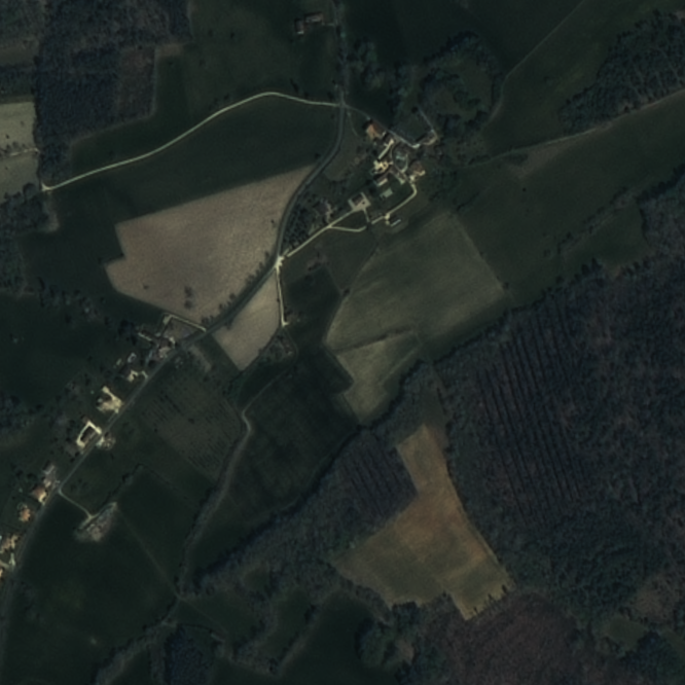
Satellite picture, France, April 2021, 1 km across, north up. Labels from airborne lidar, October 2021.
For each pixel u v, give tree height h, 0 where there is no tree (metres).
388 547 0
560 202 0
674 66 10
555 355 7
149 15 8
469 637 8
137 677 0
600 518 15
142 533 0
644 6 0
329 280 0
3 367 0
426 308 0
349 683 0
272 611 21
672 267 11
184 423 0
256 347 0
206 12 0
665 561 15
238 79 0
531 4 0
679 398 9
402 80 17
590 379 14
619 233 0
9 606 0
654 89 19
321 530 25
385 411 0
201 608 0
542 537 9
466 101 13
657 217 22
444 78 12
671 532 11
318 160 9
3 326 0
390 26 0
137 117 11
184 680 28
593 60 0
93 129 14
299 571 19
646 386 11
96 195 0
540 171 0
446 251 0
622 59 15
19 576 0
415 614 19
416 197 0
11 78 14
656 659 30
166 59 0
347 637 0
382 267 0
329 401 0
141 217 0
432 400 0
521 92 0
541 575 14
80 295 9
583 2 0
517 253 0
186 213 0
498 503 9
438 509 0
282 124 0
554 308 13
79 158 0
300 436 0
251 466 0
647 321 10
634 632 0
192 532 10
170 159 0
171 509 0
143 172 0
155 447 0
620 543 16
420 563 0
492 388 13
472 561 0
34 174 0
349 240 0
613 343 8
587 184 0
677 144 0
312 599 20
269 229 0
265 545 24
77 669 0
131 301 0
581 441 7
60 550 0
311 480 0
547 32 0
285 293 0
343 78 20
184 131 0
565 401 8
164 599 0
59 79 23
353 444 13
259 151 0
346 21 0
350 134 0
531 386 14
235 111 0
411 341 0
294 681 0
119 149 0
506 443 11
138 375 7
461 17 0
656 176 0
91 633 0
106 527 0
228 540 0
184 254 0
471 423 15
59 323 0
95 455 0
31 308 0
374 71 22
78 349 0
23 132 0
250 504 0
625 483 12
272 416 0
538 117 0
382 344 0
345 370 0
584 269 0
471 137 8
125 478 8
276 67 0
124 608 0
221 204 0
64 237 0
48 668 0
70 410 0
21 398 0
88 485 8
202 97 0
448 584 0
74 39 19
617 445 10
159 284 0
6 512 0
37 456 0
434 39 0
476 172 0
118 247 0
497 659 8
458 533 0
